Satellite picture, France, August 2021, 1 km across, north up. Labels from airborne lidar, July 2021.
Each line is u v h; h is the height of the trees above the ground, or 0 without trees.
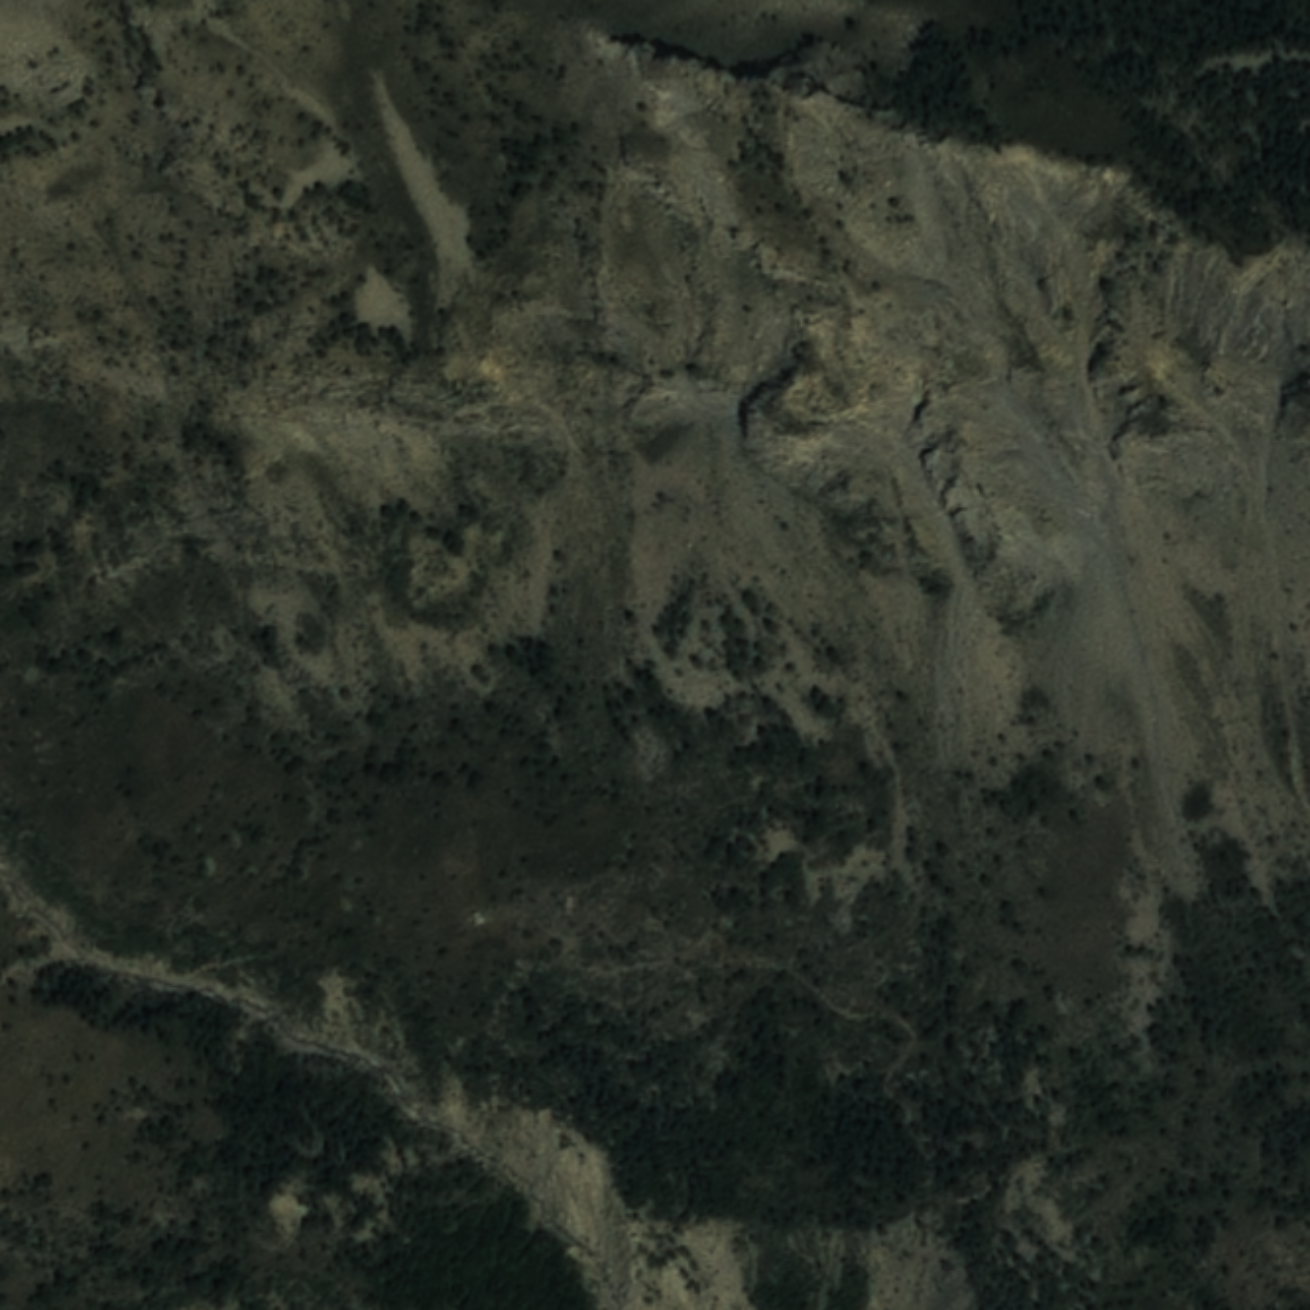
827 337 0
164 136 0
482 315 0
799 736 13
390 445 0
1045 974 7
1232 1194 9
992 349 0
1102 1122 9
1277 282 0
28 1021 0
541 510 0
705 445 0
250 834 6
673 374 8
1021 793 5
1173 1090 9
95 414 0
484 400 8
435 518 6
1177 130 7
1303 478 0
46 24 0
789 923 0
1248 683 0
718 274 0
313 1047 0
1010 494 0
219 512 8
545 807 5
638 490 0
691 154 0
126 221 0
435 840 0
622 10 0
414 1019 6
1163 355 0
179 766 0
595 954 0
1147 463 0
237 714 0
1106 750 0
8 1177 0
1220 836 0
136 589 0
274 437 0
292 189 0
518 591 0
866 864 6
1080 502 0
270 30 0
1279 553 0
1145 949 8
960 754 0
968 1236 14
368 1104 6
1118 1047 8
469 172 0
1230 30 8
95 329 0
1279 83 11
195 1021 7
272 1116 6
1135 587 0
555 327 0
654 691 11
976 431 0
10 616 0
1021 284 0
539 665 9
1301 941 8
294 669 0
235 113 0
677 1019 0
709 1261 0
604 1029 10
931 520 0
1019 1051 14
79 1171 0
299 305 0
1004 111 0
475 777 7
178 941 7
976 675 0
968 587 0
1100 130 0
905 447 0
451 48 7
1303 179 19
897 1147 6
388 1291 7
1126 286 0
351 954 0
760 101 7
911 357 0
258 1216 10
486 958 0
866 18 0
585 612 0
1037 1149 12
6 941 0
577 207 0
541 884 0
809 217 7
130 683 0
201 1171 8
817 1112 6
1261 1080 14
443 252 0
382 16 0
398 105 0
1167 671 0
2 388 0
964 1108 7
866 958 0
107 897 0
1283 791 0
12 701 0
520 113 8
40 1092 0
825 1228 9
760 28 0
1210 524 0
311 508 0
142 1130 8
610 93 0
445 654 0
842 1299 6
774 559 0
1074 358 0
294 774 10
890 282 0
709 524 0
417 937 0
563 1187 0
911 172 0
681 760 12
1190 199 6
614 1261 0
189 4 0
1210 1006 7
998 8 0
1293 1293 7
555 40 0
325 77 0
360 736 0
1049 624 0
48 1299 15
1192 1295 5
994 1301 7
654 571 0
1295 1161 13
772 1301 7
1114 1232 0
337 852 0
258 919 0
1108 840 0
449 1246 11
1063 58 8
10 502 0
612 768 0
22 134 9
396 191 0
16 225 0
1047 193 0
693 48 0
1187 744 0
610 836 0
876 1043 0
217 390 0
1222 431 0
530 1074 6
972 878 5
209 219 0
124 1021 6
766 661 13
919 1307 0
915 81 7
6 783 0
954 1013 8
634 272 0
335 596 8
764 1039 13
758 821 12
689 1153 7
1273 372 0
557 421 0
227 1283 12
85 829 0
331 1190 11
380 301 0
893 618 0
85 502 8
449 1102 0
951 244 0
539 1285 10
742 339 0
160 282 0
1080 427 0
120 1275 6
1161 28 7
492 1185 6
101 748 0
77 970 7
